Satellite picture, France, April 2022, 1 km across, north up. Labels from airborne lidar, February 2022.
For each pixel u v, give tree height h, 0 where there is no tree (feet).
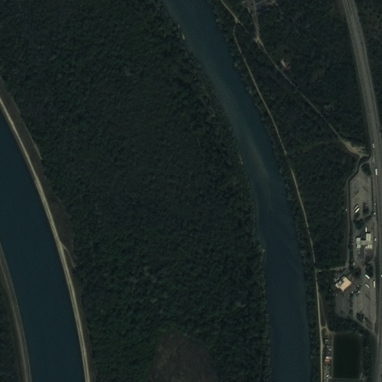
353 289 0
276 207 0
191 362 0
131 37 37
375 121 0
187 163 42
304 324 0
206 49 0
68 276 0
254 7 0
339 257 59
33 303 0
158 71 48
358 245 0
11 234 0
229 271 90
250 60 55
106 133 63
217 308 78
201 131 87
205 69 0
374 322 0
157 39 51
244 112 0
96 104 44
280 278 0
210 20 0
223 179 94
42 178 0
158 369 0
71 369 0
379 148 0
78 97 56
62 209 0
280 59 0
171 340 0
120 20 27
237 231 88
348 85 44
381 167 0
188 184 46
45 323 0
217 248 49
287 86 66
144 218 46
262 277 53
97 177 49
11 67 67
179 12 0
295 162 53
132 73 51
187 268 48
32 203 0
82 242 64
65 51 42
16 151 0
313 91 35
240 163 44
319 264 47
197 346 0
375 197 0
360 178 0
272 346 0
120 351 68
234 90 0
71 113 67
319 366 0
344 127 62
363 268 0
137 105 22
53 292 0
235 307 59
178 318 31
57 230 0
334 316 46
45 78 24
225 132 55
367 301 0
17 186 0
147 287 54
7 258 0
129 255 50
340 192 44
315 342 35
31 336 0
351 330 44
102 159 32
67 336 0
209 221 26
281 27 30
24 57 39
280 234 0
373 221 0
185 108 65
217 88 0
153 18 82
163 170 25
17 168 0
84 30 47
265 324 33
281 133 43
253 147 0
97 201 66
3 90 0
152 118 31
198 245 55
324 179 67
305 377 0
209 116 89
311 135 59
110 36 38
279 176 0
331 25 24
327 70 29
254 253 77
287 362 0
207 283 58
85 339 0
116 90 43
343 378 0
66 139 32
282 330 0
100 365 59
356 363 0
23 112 51
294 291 0
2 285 0
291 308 0
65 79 54
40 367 0
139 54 32
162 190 35
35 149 0
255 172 0
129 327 52
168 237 41
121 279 70
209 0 33
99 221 62
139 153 34
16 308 0
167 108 40
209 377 0
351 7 0
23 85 50
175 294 21
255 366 102
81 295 0
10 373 74
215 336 27
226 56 0
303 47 22
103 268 78
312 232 52
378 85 37
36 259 0
